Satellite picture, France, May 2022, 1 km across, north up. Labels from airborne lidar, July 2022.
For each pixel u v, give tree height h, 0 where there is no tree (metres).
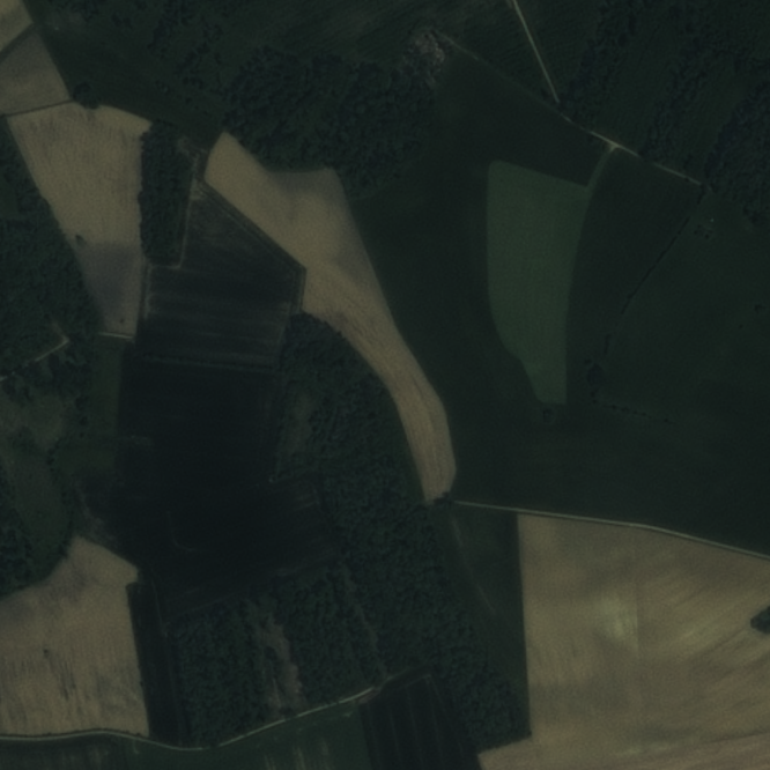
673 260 0
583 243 0
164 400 0
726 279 0
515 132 0
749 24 10
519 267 0
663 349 0
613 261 0
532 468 0
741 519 0
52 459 6
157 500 0
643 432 0
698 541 0
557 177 0
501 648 0
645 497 0
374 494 33
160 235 25
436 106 18
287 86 28
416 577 26
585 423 0
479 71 0
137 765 0
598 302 0
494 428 0
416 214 0
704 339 0
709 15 13
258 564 0
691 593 0
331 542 0
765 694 0
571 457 0
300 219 0
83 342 21
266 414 0
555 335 0
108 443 0
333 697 18
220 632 26
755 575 0
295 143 32
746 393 0
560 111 12
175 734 0
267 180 0
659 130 18
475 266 0
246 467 0
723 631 0
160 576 0
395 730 0
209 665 30
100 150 0
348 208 0
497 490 0
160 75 0
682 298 0
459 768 0
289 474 11
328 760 0
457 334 0
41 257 26
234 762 0
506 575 0
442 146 0
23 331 27
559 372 0
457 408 0
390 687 0
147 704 0
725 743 0
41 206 16
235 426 0
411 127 29
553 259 0
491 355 0
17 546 26
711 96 10
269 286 0
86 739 0
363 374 6
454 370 0
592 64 26
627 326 0
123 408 0
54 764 0
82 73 0
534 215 0
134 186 0
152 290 0
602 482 0
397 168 26
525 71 7
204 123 0
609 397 0
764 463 0
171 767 0
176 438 0
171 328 0
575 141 0
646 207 0
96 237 0
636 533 0
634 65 9
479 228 0
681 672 0
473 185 0
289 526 0
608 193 0
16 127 0
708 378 0
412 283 0
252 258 0
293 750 0
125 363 0
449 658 26
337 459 7
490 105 0
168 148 23
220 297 0
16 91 0
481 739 21
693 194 0
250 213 0
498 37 7
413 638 27
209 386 0
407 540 24
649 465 0
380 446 8
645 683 0
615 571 0
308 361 22
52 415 0
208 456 0
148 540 0
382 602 29
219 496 0
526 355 0
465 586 0
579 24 6
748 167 26
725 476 0
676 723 0
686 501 0
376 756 0
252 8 8
